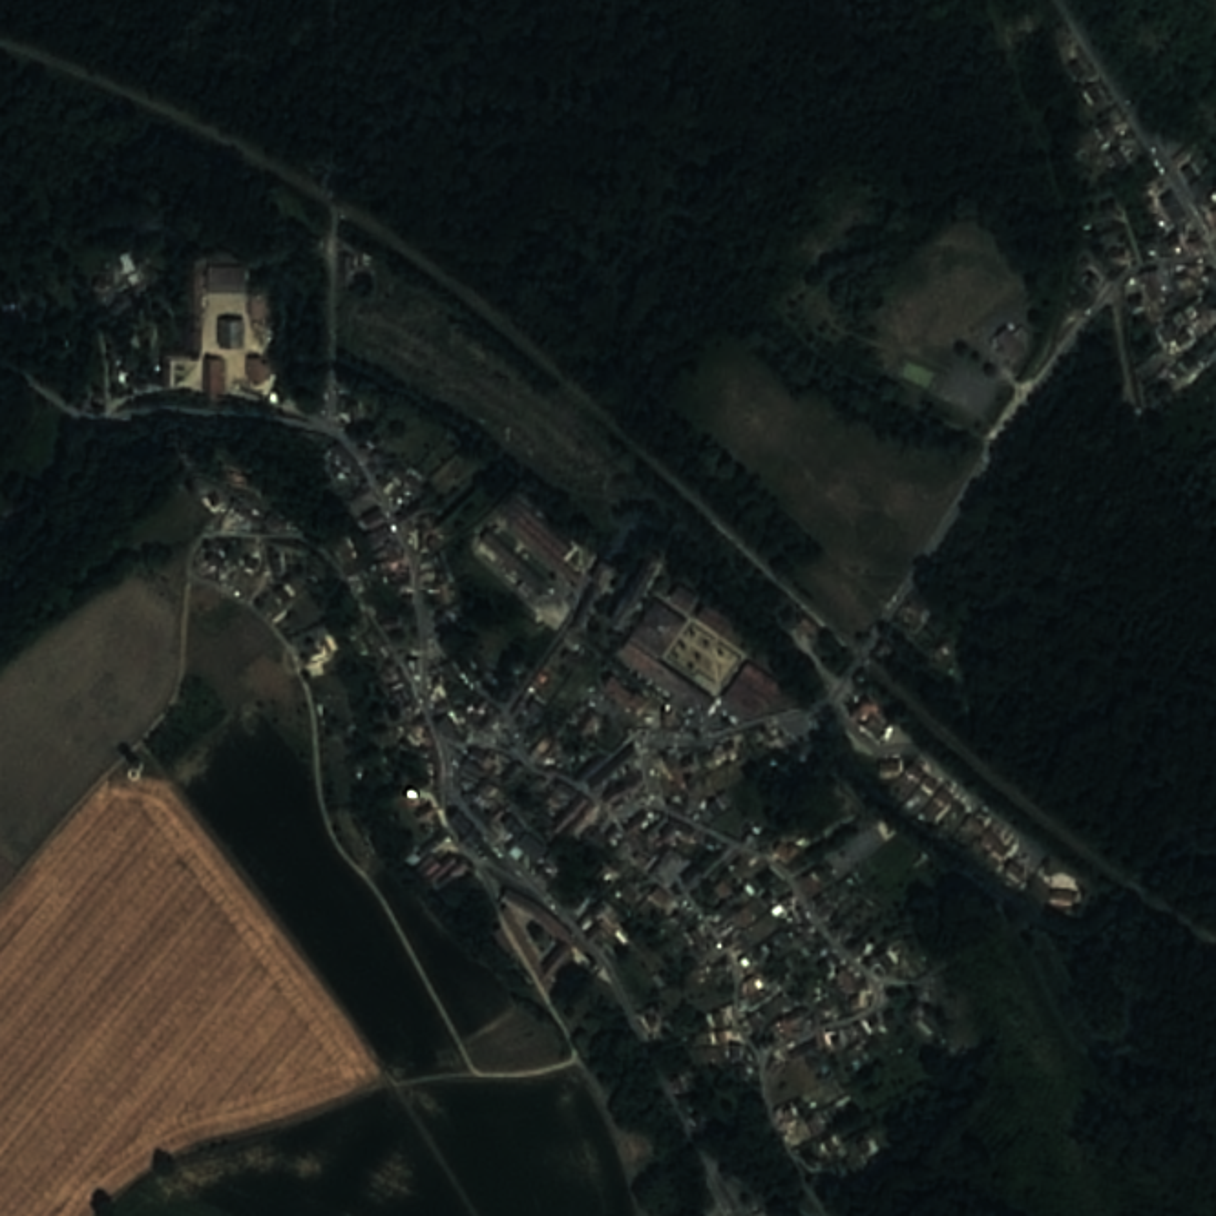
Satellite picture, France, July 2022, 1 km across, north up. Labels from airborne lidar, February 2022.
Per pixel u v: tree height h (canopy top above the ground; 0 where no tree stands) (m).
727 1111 15
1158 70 9
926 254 0
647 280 37
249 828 0
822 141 18
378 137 34
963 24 15
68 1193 0
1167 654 13
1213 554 16
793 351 17
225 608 0
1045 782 19
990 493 22
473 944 9
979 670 25
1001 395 0
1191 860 18
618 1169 0
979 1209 37
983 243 0
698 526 20
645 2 26
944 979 0
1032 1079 0
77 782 0
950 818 0
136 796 0
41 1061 0
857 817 0
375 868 0
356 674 18
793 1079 0
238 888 0
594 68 36
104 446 24
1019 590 7
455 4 25
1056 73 10
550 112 35
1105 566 16
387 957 0
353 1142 0
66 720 0
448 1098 0
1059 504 10
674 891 6
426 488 9
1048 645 16
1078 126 13
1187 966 33
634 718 0
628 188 38
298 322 14
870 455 0
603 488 17
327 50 20
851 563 0
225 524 0
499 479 17
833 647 6
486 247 37
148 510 14
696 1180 21
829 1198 15
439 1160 0
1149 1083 30
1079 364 9
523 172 37
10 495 15
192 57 20
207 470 12
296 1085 0
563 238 13
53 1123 0
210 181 35
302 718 0
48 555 26
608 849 8
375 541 0
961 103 30
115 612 0
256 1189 0
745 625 16
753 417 0
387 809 15
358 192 23
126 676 0
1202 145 6
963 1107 34
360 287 12
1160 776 23
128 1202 0
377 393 23
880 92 18
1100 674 14
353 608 8
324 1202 0
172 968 0
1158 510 19
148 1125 0
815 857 7
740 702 0
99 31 20
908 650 12
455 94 33
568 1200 0
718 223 19
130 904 0
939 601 24
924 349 0
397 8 25
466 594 7
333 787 7
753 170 27
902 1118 11
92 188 22
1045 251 26
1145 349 11
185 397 6
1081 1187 0
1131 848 10
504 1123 0
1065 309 0
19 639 17
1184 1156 34
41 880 0
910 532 0
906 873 0
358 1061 0
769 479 0
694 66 25
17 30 20
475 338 19
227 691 0
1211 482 12
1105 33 14
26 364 22
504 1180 0
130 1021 0
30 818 0
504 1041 0
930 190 17
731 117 28
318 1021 0
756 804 0
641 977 0
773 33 19
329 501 17
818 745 16
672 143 8
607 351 19
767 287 6
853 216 0
